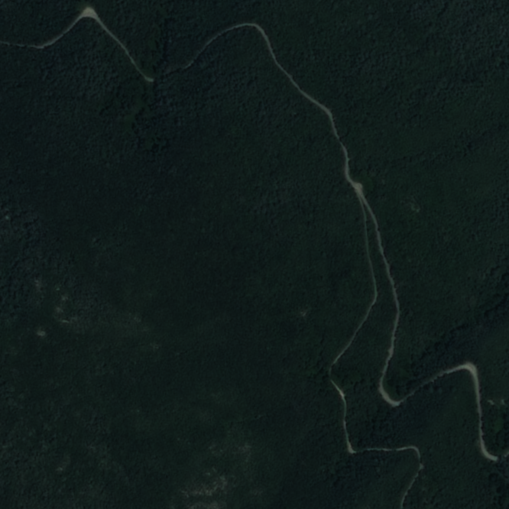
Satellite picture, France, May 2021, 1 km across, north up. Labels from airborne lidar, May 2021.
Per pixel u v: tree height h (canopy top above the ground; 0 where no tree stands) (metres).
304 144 7
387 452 11
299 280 11
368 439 17
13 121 16
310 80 10
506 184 11
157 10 7
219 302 15
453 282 8
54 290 6
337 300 12
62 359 12
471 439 6
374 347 9
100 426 17
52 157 19
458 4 20
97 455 9
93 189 16
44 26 14
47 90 21
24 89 21
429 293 12
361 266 7
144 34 16
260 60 11
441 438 7
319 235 9
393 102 13
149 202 17
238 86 18
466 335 16
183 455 12
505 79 20
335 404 9
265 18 16
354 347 12
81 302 14
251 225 13
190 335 7
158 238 11
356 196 12
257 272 12
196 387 7
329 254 10
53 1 10
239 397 9
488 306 22
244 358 11
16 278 16
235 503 6
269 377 10
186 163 9
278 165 12
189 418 8
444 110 12
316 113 11
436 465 8
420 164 15
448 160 11
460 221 9
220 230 13
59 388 12
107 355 11
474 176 9
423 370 14
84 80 20
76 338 13
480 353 8
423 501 13
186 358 11
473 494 10
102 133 18
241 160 10
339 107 7
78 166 17
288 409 14
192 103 17
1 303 12
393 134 9
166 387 10
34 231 19
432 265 13
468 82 22
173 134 14
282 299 10
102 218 14
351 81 11
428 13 21
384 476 7
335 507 9
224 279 14
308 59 16
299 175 13
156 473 12
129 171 21
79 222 10
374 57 10
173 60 19
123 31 16
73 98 18
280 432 11
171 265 13
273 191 10
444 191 11
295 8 10
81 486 9
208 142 10
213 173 12
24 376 15
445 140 10
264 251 15
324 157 9
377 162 12
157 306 10
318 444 17
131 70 14
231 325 12
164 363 9
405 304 14
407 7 15
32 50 15
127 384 13
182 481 5
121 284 10
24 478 7
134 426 8
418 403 7
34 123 21
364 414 7
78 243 13
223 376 7
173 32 18
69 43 8
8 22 15
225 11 10
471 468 10
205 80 8
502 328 8
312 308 6
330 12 10
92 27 13
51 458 12
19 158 15
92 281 15
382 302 8
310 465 18
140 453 14
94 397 8
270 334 13
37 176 15
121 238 14
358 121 13
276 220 17
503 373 9
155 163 21
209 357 10
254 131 11
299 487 15
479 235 17
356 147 10
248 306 12
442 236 14
